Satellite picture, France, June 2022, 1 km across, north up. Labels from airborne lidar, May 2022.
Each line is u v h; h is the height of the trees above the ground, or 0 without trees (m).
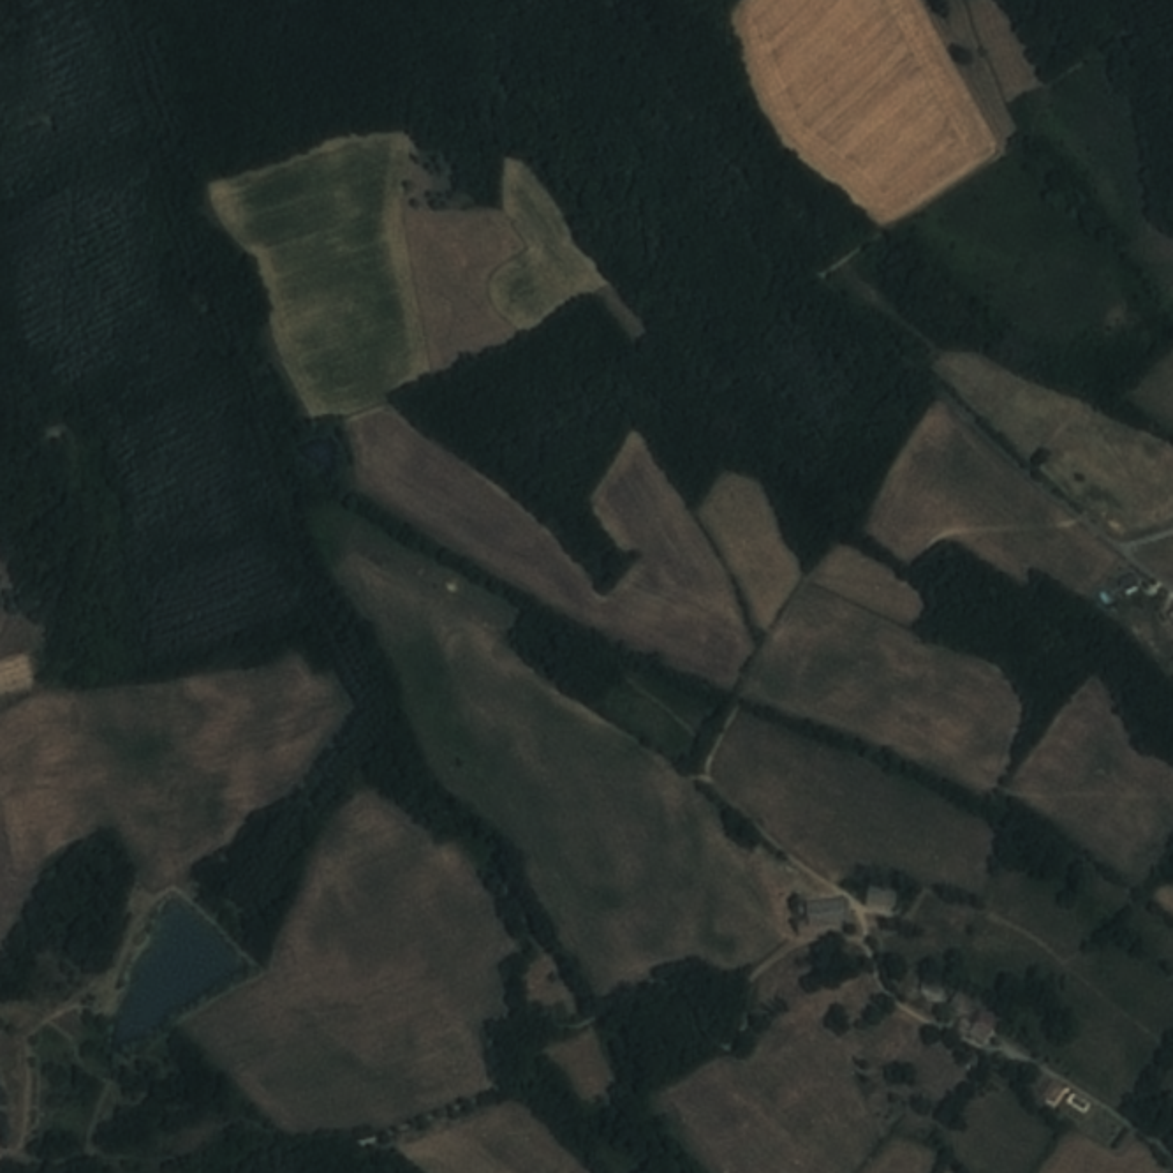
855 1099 0
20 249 12
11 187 10
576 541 11
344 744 25
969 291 0
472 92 15
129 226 13
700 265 15
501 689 0
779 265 12
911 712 0
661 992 19
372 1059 0
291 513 17
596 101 16
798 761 0
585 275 0
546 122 17
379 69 17
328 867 0
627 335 8
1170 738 14
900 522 0
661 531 0
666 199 16
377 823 0
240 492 14
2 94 12
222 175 12
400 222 0
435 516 0
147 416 16
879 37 0
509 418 12
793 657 0
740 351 17
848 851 0
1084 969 0
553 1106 19
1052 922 0
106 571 8
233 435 18
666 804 0
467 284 0
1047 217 0
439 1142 0
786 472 17
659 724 0
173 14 21
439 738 0
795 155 17
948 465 0
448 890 0
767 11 0
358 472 0
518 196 0
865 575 0
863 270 0
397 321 0
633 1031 24
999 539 0
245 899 26
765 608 0
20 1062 0
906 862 0
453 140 14
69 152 16
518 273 0
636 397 16
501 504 0
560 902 0
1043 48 9
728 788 0
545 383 11
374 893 0
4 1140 16
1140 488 0
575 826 0
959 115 0
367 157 0
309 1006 0
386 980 0
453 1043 0
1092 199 6
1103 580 0
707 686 12
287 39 17
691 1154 22
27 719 0
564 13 18
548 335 10
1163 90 17
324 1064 0
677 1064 16
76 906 22
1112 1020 0
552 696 0
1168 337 6
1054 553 0
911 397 15
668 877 0
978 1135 0
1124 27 11
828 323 12
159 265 14
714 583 0
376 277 0
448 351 0
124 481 8
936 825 0
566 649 25
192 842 0
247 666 7
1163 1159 10
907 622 0
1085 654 9
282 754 0
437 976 0
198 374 14
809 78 0
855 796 0
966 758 0
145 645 10
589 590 0
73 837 0
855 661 0
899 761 16
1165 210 13
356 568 0
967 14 0
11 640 0
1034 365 10
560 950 20
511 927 16
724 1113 0
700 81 16
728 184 17
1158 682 15
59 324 16
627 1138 20
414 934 0
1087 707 0
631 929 0
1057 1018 20
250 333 20
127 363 15
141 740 0
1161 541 0
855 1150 0
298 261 0
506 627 0
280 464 20
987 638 15
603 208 15
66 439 9
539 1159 0
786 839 0
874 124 0
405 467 0
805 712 0
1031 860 24
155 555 14
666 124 10
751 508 0
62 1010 0
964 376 0
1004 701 0
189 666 14
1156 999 0
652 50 16
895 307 6
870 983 0
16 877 0
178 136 22
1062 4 19
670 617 0
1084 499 0
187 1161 9
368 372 0
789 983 0
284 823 26
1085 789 0
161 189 18
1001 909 0
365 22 19
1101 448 0
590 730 0
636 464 0
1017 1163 0
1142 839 0
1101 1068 0
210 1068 6
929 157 0
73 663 7
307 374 0
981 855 0
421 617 0
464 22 14
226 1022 0
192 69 23
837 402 12
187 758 0
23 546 17
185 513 12
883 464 9
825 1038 0
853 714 0
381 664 16
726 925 0
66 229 13
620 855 0
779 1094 0
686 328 14
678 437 16
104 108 14
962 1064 8
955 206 0
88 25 13
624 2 15
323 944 0
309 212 0
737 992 15
